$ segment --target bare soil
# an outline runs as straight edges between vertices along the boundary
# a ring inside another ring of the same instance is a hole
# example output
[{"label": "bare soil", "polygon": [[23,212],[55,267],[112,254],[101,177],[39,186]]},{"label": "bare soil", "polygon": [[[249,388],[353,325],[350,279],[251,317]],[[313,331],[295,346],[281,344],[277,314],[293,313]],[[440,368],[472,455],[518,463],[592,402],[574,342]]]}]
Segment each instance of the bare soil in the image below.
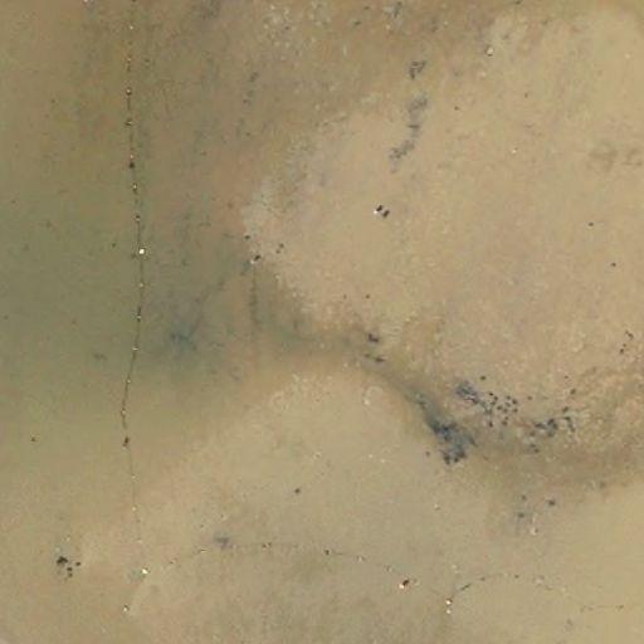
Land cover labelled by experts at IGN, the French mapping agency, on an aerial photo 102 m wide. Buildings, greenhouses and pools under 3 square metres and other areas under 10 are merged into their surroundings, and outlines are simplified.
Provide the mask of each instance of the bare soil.
[{"label": "bare soil", "polygon": [[0,644],[644,644],[644,0],[0,0]]}]

